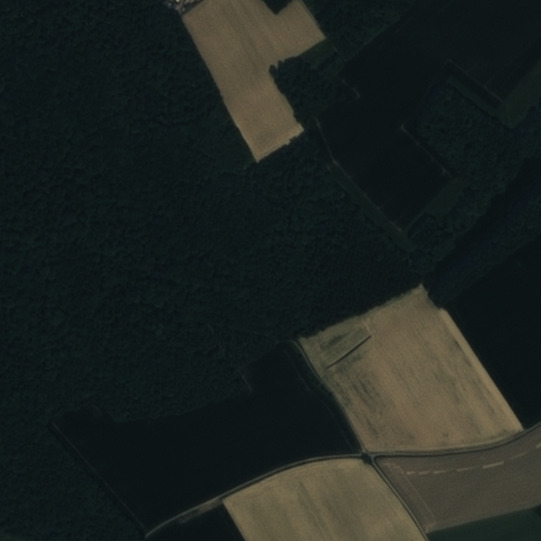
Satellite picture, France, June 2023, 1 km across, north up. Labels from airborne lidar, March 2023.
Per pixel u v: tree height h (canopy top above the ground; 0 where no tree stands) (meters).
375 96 0
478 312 0
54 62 26
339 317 16
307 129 7
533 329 0
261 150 0
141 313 25
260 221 28
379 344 0
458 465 0
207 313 24
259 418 0
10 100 25
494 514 0
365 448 0
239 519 0
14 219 27
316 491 0
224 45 0
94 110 29
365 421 0
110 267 23
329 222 21
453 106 26
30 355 22
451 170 0
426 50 0
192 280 23
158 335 21
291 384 0
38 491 23
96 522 21
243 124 0
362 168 0
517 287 0
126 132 26
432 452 0
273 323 23
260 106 0
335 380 0
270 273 23
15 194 16
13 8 27
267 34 0
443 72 0
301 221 28
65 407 16
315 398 0
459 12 0
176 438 0
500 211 0
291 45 0
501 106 0
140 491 0
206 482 0
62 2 25
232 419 0
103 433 0
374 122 0
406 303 0
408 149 0
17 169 16
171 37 24
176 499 0
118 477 0
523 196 0
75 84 27
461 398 0
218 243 31
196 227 23
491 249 22
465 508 0
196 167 25
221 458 0
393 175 0
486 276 0
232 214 32
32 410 21
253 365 0
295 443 0
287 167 12
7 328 22
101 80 26
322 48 0
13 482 22
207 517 0
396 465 0
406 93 0
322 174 22
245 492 0
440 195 0
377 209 0
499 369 0
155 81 23
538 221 23
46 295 25
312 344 0
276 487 0
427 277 0
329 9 24
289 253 24
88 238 27
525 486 0
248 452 0
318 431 0
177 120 25
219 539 0
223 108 15
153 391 23
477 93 0
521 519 0
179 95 22
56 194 23
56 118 27
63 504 23
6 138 23
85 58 27
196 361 21
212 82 19
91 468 0
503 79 0
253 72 0
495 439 0
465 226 23
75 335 23
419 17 0
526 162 0
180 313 28
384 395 0
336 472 0
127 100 25
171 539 0
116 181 25
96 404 0
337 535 0
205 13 0
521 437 0
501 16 0
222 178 25
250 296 25
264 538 0
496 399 0
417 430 0
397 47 0
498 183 26
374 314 0
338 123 0
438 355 0
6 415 23
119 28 26
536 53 0
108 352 17
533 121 26
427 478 0
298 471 0
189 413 0
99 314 18
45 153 16
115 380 17
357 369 0
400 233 0
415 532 0
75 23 20
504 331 0
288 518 0
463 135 26
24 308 28
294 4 0
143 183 25
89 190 22
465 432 0
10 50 21
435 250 25
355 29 12
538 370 0
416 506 0
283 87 21
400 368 0
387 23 11
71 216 24
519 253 0
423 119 20
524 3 0
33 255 28
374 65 0
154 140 26
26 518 21
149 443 0
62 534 23
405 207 0
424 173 0
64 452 20
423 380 0
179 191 23
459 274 27
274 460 0
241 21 0
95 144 30
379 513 0
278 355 0
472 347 0
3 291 23
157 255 22
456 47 0
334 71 13
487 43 0
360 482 0
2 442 17
